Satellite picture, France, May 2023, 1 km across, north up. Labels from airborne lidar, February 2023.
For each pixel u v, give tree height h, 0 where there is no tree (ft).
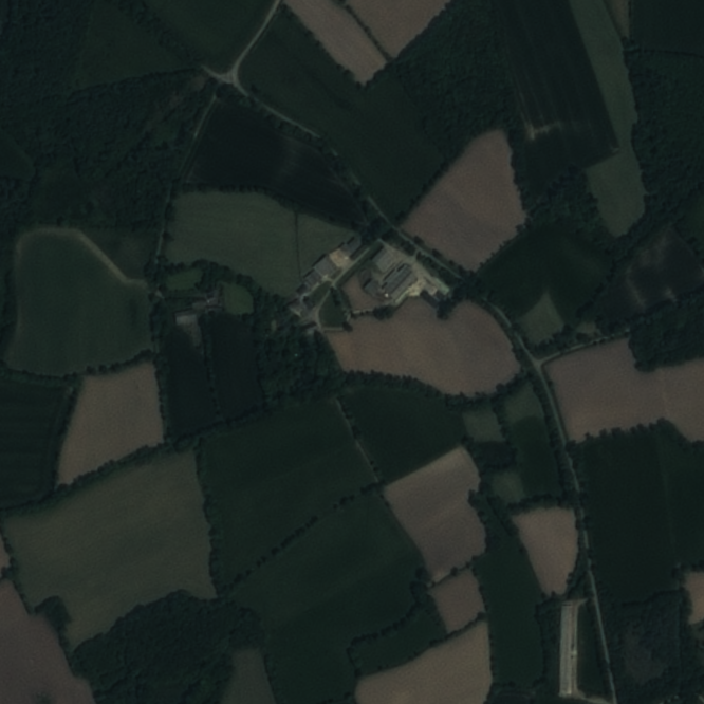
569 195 57
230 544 0
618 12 0
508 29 0
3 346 31
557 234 0
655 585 0
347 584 0
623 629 24
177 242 0
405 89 23
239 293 0
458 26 53
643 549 0
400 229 0
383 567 0
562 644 0
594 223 59
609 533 0
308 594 0
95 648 31
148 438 0
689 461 0
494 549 62
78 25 58
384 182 0
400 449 0
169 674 58
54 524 0
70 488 28
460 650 0
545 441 0
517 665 0
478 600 0
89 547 0
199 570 0
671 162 46
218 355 0
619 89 0
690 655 27
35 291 0
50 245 0
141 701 61
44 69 63
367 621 0
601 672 29
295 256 0
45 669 0
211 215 0
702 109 35
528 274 0
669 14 0
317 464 0
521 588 0
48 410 0
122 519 0
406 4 0
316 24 0
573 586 26
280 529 0
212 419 0
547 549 0
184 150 41
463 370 0
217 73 0
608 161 0
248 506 0
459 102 40
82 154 60
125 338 0
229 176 0
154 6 0
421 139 0
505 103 70
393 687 0
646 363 36
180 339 0
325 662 0
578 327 0
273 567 0
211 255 0
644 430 56
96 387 0
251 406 0
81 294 0
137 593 0
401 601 0
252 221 0
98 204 0
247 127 0
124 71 0
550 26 0
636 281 0
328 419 0
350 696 32
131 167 63
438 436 0
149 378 0
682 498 0
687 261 0
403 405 0
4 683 0
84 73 0
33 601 0
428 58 54
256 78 0
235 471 0
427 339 0
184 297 0
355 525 0
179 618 66
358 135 0
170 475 0
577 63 0
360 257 0
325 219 0
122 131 75
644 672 0
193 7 0
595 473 0
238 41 0
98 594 0
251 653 0
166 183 49
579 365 0
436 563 0
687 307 66
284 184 0
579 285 0
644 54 32
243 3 0
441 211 0
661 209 35
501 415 45
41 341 0
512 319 59
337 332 0
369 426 0
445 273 50
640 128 43
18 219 59
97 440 0
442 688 0
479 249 0
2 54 64
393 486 0
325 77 0
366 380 62
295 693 0
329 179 0
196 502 0
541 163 0
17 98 75
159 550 0
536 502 49
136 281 0
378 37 0
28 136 48
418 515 0
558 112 0
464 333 0
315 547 0
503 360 0
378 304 0
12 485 0
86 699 0
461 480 0
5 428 0
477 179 0
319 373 56
